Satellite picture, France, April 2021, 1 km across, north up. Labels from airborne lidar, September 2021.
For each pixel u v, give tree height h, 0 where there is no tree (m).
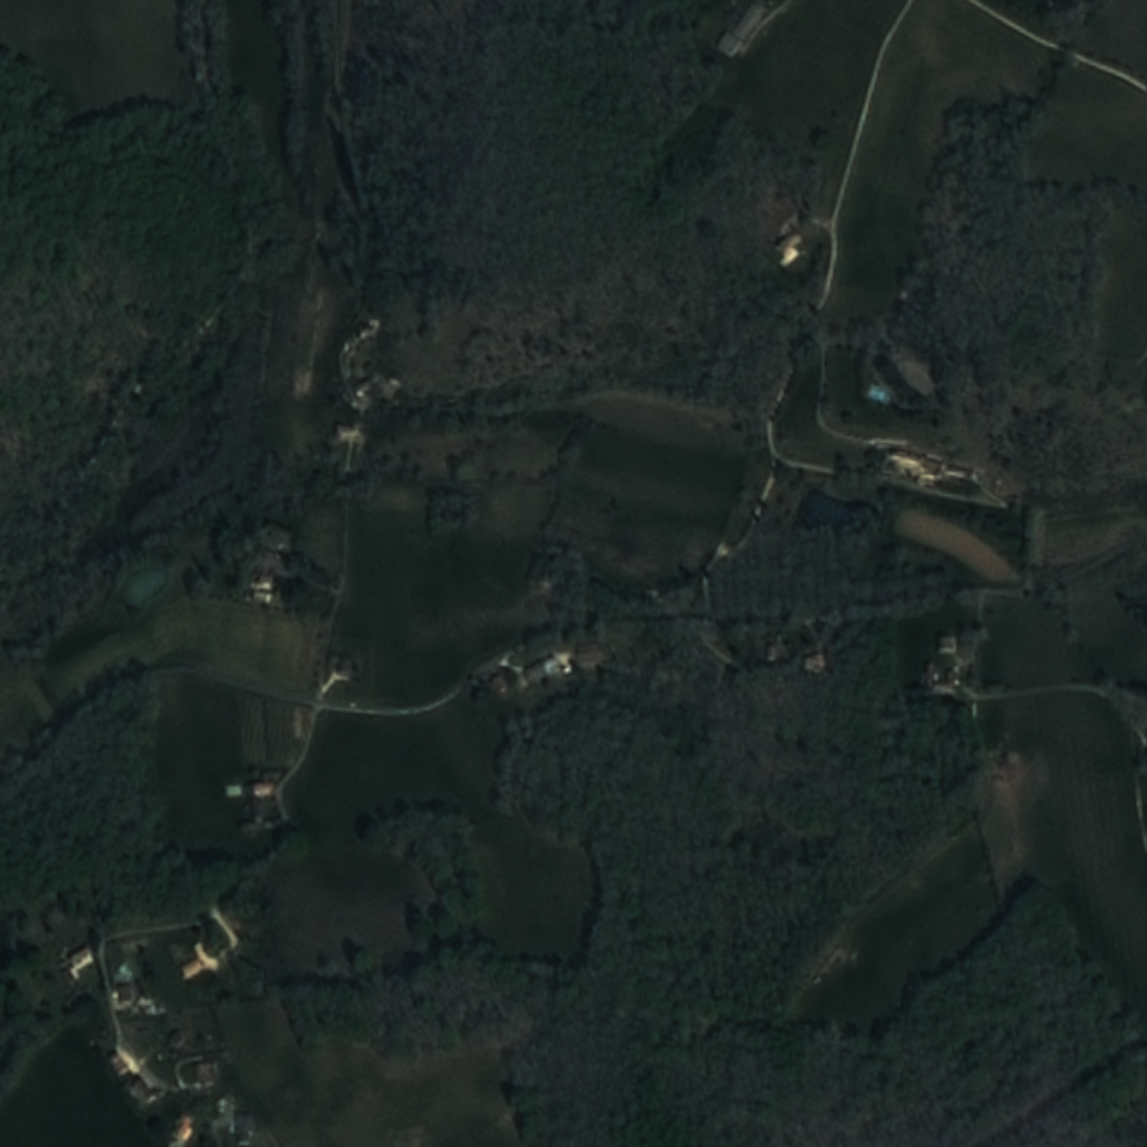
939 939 0
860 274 0
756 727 15
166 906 25
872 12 0
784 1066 23
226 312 26
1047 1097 15
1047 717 0
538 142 23
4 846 23
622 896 20
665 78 21
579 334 16
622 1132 21
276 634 0
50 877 22
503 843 0
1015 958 24
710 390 16
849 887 21
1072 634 17
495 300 17
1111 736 0
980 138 19
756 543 16
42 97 22
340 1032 23
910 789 19
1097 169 0
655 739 21
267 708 0
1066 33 18
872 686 22
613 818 18
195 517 14
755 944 23
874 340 17
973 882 0
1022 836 0
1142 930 0
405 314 0
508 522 0
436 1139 0
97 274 25
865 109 0
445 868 19
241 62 0
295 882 0
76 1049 0
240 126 20
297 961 0
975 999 22
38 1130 0
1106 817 0
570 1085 21
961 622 0
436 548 0
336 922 0
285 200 6
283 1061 0
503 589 0
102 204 29
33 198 24
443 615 0
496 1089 0
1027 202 18
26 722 0
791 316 18
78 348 21
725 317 15
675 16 18
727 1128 19
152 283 21
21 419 25
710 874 21
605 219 24
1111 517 0
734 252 18
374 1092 0
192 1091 11
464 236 20
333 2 15
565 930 0
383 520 0
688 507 0
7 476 23
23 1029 19
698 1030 18
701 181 22
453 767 0
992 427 11
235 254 22
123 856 22
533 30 26
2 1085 16
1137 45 0
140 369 18
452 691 0
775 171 18
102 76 0
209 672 0
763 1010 22
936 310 23
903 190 0
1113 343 0
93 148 25
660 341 7
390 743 0
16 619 17
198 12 23
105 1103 0
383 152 27
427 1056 18
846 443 0
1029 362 19
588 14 17
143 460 18
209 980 0
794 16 0
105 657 0
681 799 20
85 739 23
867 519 18
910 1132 14
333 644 0
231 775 0
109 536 0
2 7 0
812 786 12
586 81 24
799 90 0
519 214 22
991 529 8
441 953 19
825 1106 17
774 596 16
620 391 19
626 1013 21
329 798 0
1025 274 17
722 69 18
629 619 17
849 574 18
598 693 8
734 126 20
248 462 17
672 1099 19
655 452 0
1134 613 14
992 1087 22
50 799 22
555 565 22
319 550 0
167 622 0
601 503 0
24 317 19
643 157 23
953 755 27
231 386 20
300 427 0
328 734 0
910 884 0
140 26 0
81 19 0
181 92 12
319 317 0
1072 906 0
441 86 17
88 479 22
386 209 26
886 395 0
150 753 10
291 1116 0
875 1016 0
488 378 11
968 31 0
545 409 18
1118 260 0
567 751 22
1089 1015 22
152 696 22
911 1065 17
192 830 0
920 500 8
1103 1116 20
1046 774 0
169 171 21
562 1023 17
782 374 19
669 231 23
